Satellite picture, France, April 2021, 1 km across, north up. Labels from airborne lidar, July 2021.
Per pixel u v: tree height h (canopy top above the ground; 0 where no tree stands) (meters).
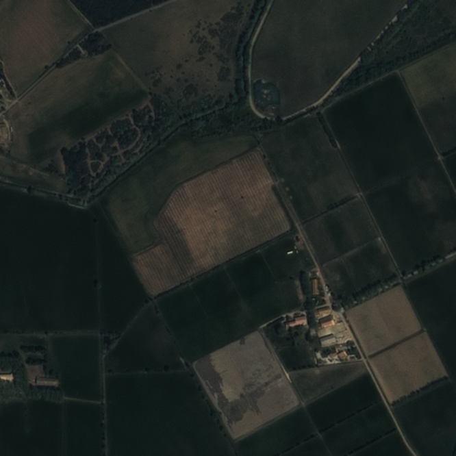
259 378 0
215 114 8
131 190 0
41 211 0
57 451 0
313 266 0
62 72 0
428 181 0
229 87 0
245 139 0
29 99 0
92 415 0
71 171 9
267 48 0
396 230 0
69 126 0
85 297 0
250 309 0
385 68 11
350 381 0
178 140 0
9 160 0
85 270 0
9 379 0
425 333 0
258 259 0
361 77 12
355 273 0
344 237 0
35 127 0
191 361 0
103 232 0
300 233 0
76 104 0
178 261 0
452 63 0
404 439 0
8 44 0
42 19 0
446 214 0
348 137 0
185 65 0
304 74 0
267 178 0
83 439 0
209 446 0
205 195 0
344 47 0
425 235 0
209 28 0
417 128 0
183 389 0
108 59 0
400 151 0
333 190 0
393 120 0
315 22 0
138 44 0
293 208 0
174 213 0
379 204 0
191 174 0
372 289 18
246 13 0
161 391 0
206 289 0
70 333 0
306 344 0
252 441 0
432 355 0
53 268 0
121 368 0
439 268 0
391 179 0
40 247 0
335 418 0
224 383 0
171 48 0
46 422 0
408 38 6
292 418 0
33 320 0
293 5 0
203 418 0
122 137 7
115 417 0
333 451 0
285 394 0
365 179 0
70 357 0
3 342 0
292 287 0
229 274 0
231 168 0
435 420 0
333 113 0
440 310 0
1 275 0
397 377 0
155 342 0
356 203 0
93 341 0
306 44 0
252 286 0
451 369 0
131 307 0
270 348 0
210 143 0
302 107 0
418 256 0
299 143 0
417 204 0
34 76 0
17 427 0
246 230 0
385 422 0
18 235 0
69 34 0
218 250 0
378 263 0
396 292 0
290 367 0
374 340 0
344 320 0
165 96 0
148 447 0
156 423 0
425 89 0
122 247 0
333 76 0
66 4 0
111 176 14
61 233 0
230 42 0
